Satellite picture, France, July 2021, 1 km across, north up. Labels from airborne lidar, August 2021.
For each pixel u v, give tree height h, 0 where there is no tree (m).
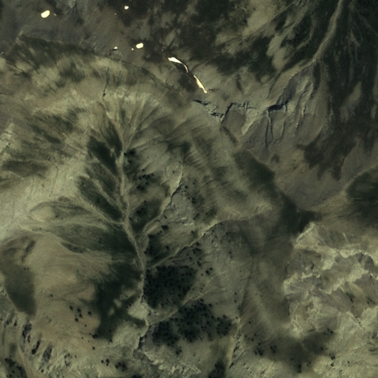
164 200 0
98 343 0
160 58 0
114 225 0
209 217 0
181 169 0
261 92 0
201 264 6
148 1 0
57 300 0
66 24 0
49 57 0
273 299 0
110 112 0
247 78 0
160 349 0
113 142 0
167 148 0
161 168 0
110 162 0
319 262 0
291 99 0
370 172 0
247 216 0
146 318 0
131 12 0
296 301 0
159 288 10
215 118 0
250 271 0
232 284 0
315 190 0
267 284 0
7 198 0
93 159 0
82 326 0
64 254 0
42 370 0
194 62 0
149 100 0
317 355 0
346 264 0
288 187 0
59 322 0
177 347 0
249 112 0
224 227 0
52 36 0
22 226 0
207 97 0
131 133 0
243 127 0
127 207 0
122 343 0
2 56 0
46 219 0
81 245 0
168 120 0
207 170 0
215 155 0
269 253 0
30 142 0
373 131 0
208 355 0
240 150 0
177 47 0
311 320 0
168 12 0
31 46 0
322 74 0
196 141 0
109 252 0
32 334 0
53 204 0
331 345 0
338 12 0
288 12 0
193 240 0
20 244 0
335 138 0
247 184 0
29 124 0
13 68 0
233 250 0
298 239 0
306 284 0
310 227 0
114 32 0
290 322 0
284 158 0
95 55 0
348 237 0
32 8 0
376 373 0
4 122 0
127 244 0
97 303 0
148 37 0
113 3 0
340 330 0
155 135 0
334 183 0
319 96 0
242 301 0
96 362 0
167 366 0
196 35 0
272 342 0
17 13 0
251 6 0
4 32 0
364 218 0
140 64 0
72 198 0
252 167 0
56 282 0
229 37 0
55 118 0
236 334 0
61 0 0
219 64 0
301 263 0
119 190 0
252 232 0
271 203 0
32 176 0
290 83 0
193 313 7
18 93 0
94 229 0
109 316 0
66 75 0
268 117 0
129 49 0
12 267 0
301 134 0
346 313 0
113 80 0
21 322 0
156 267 0
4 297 0
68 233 0
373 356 0
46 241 0
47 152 0
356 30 0
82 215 0
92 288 0
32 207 0
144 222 0
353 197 0
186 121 0
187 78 0
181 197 0
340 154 0
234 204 0
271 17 0
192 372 0
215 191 0
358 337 0
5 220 0
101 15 0
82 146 0
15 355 0
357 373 0
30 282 0
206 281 0
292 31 0
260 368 0
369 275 0
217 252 0
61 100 0
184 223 0
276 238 0
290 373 0
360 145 0
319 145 0
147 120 0
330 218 0
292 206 0
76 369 0
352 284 0
